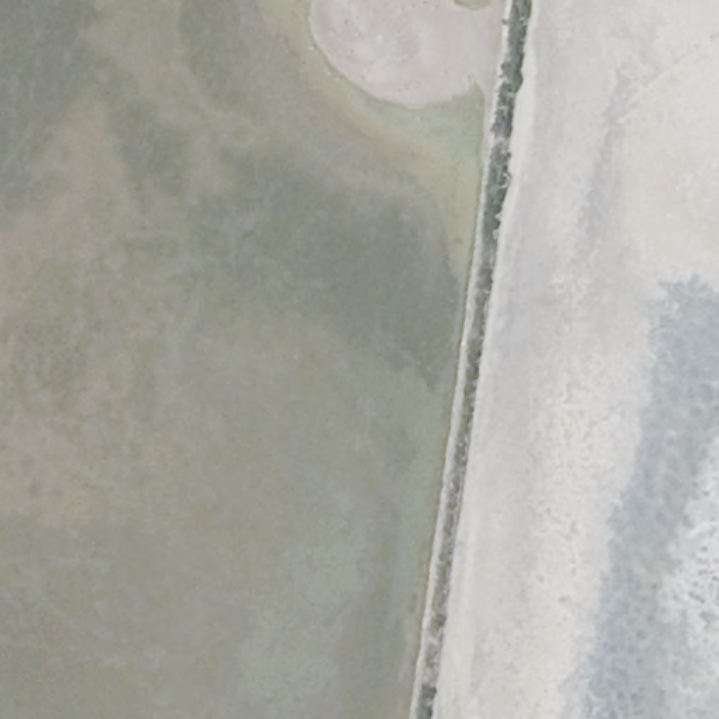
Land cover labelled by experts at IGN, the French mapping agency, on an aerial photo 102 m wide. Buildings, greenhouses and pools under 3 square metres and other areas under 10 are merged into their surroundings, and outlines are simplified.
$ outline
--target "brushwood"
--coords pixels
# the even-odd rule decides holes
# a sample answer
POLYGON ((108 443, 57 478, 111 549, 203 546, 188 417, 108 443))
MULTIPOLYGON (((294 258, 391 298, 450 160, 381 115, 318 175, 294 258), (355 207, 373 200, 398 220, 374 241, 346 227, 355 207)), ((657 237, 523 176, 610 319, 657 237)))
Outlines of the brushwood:
POLYGON ((486 211, 480 281, 469 340, 469 368, 463 385, 463 410, 455 444, 452 489, 447 503, 444 545, 433 601, 433 638, 427 643, 418 719, 433 719, 438 663, 444 652, 455 531, 461 520, 469 435, 475 418, 475 390, 480 376, 486 312, 497 264, 497 230, 503 202, 508 194, 514 104, 522 87, 531 0, 514 0, 508 25, 508 59, 503 65, 503 87, 494 121, 497 135, 489 169, 486 205, 486 211))

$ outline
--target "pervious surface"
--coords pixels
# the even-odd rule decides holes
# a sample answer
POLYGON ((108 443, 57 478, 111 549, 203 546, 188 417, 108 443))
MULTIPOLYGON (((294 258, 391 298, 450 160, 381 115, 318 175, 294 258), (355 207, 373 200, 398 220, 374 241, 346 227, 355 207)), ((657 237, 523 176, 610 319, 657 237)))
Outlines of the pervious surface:
POLYGON ((497 230, 497 264, 486 312, 480 376, 475 390, 475 418, 469 435, 461 520, 455 531, 444 652, 438 663, 433 719, 719 719, 719 0, 531 0, 522 87, 514 104, 508 194, 503 202, 497 230))
POLYGON ((477 211, 477 233, 458 348, 452 418, 447 435, 438 520, 421 615, 421 646, 416 657, 407 719, 418 719, 427 643, 433 638, 433 601, 444 545, 447 503, 452 489, 455 444, 463 410, 463 385, 469 368, 469 340, 480 281, 486 211, 477 211))
POLYGON ((312 0, 309 28, 315 42, 340 73, 345 73, 354 84, 365 87, 371 95, 399 101, 407 107, 421 107, 463 95, 472 84, 480 87, 486 98, 480 146, 480 202, 486 205, 489 169, 497 135, 494 121, 503 87, 503 65, 508 59, 508 25, 514 0, 312 0))

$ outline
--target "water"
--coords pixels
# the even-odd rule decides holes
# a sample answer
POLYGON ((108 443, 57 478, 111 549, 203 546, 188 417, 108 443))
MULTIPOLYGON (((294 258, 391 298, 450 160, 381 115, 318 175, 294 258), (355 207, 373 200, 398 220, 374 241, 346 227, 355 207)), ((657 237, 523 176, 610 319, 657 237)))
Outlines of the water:
POLYGON ((486 205, 480 202, 480 146, 486 98, 480 87, 472 84, 463 95, 421 107, 407 107, 399 101, 371 95, 365 87, 354 84, 345 73, 340 73, 315 42, 309 28, 312 0, 0 0, 0 719, 407 719, 416 657, 421 646, 421 615, 438 520, 447 435, 452 418, 458 348, 477 233, 477 211, 486 211, 486 205))

